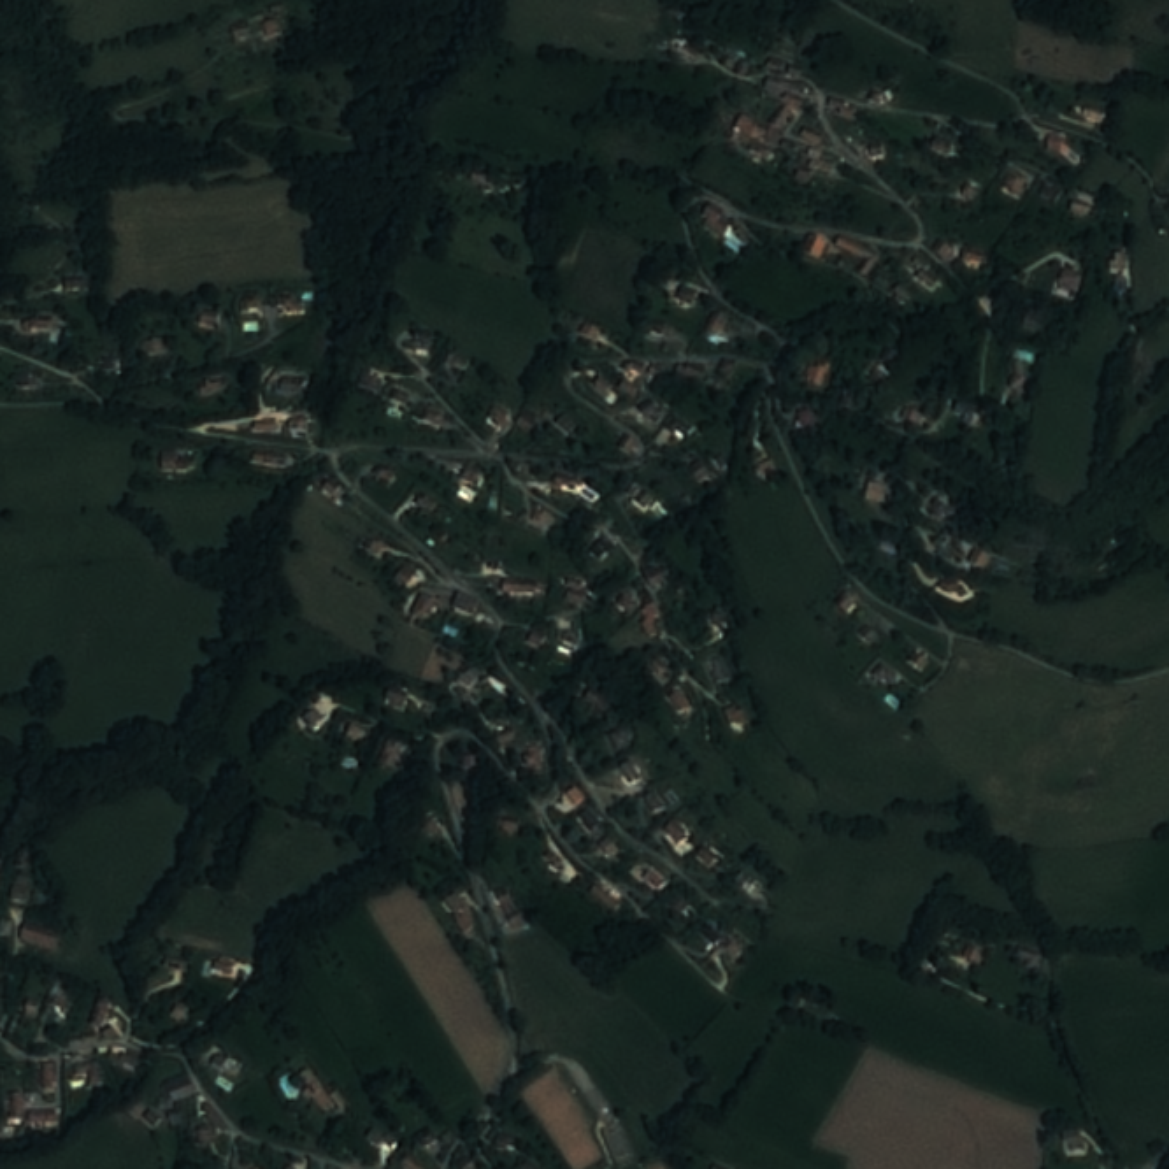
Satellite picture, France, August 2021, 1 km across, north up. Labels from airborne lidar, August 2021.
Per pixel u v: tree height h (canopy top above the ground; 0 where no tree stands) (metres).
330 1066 0
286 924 30
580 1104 0
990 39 0
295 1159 9
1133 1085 0
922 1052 0
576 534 17
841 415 14
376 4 28
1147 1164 0
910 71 0
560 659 0
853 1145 0
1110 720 0
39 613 0
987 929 15
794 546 0
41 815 26
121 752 28
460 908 0
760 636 0
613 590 13
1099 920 0
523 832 10
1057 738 0
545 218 26
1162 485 15
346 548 0
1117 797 0
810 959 0
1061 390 0
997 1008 13
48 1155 25
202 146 17
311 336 0
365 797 0
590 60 10
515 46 9
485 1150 10
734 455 7
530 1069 10
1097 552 9
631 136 0
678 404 17
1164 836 14
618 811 9
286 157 9
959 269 7
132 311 22
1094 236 12
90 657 0
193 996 14
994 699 0
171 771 29
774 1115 0
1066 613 0
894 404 0
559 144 0
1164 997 0
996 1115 0
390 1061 0
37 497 0
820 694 0
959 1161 0
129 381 17
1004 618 0
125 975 20
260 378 20
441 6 24
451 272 0
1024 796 0
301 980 17
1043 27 19
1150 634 0
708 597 7
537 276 18
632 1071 0
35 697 18
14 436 0
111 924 0
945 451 19
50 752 21
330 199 24
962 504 14
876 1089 0
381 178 31
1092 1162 0
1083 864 0
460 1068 0
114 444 0
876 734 0
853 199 10
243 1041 0
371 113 25
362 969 0
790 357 18
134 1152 0
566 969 0
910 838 0
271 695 0
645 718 13
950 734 0
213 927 0
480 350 0
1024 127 13
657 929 11
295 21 8
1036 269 0
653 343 0
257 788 11
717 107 16
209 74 0
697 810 8
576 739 11
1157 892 0
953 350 6
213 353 12
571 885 10
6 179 18
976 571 10
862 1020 0
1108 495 11
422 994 0
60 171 13
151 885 0
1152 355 0
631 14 0
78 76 13
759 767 0
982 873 0
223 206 0
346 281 22
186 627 0
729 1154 0
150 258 0
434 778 23
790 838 0
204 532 0
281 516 25
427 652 0
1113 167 0
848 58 13
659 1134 12
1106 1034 0
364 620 0
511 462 13
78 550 0
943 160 10
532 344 0
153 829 0
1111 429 17
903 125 0
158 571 0
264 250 0
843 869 0
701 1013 0
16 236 9
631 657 12
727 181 0
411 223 23
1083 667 12
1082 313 10
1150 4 0
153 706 0
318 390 16
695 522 20
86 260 8
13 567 0
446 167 21
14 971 10
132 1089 12
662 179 19
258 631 29
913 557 12
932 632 0
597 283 0
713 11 21
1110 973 0
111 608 0
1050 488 0
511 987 0
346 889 25
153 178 25
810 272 7
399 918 0
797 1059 0
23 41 6
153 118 16
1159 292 0
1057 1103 0
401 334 0
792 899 0
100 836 0
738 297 10
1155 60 0
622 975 8
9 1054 0
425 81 8
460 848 7
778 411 6
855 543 15
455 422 6
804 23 19
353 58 23
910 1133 0
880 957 17
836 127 0
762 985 0
